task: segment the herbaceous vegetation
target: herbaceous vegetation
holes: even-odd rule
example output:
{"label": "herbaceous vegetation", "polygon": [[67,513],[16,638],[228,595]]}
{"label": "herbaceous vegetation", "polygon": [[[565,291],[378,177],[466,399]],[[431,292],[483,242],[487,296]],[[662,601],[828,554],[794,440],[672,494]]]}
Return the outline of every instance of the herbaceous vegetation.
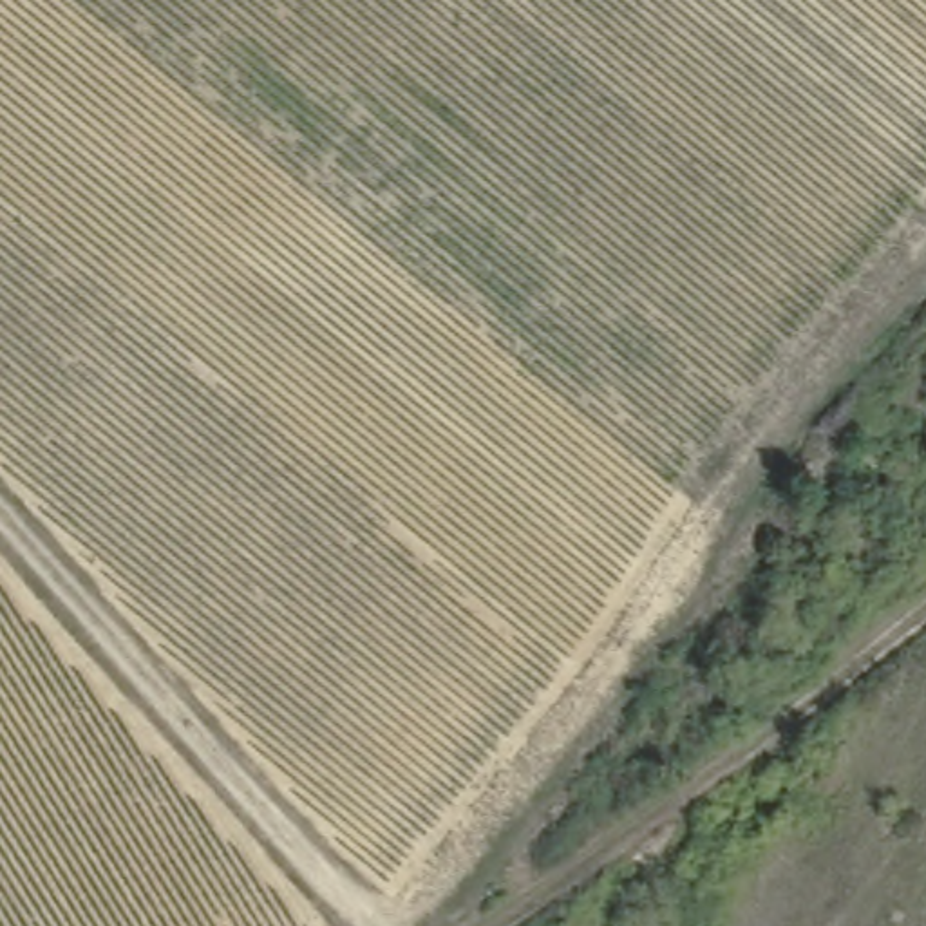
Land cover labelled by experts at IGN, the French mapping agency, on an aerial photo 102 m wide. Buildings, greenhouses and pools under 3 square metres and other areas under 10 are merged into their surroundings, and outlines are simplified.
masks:
{"label": "herbaceous vegetation", "polygon": [[760,875],[742,893],[734,926],[926,926],[926,662],[897,666],[893,680],[883,684],[893,698],[883,720],[839,738],[839,756],[846,756],[850,763],[843,789],[836,792],[836,803],[828,810],[828,828],[781,843],[767,857]]}
{"label": "herbaceous vegetation", "polygon": [[752,568],[752,539],[760,521],[734,517],[727,510],[705,550],[702,572],[687,600],[666,619],[676,629],[705,622],[738,593],[738,582]]}
{"label": "herbaceous vegetation", "polygon": [[749,774],[763,774],[774,763],[792,763],[803,734],[817,734],[828,713],[836,713],[850,698],[843,684],[854,673],[868,669],[868,662],[883,658],[919,629],[926,633],[926,557],[915,568],[883,568],[875,575],[875,582],[868,586],[868,608],[857,615],[846,640],[836,644],[832,666],[839,666],[839,673],[814,698],[814,709],[781,713],[778,727],[745,723],[742,738],[709,749],[709,756],[687,770],[684,789],[676,796],[655,792],[644,803],[615,814],[608,825],[593,828],[579,857],[564,872],[553,875],[553,868],[532,868],[528,861],[539,832],[568,807],[564,778],[553,770],[524,803],[514,803],[506,810],[506,821],[488,836],[488,846],[477,857],[477,865],[456,883],[456,890],[438,908],[416,919],[416,926],[517,926],[546,901],[568,897],[575,886],[582,886],[586,875],[604,872],[615,861],[622,861],[633,872],[640,861],[658,857],[680,836],[684,803],[695,796],[709,796],[727,774],[749,767]]}
{"label": "herbaceous vegetation", "polygon": [[608,731],[615,731],[622,709],[619,691],[564,745],[557,763],[564,770],[579,770],[582,756],[608,738]]}

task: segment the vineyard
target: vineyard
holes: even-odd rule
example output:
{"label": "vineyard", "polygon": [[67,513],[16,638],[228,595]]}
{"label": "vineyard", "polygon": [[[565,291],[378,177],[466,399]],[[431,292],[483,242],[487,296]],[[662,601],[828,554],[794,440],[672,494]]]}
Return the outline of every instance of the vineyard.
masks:
{"label": "vineyard", "polygon": [[810,416],[814,405],[828,398],[836,383],[846,380],[846,365],[875,354],[872,336],[926,297],[926,0],[0,0],[0,926],[416,926],[416,919],[438,908],[456,890],[456,883],[477,865],[477,857],[488,846],[488,836],[506,821],[506,810],[514,803],[524,803],[553,770],[557,763],[564,745],[619,691],[637,647],[655,637],[655,626],[666,619],[687,600],[702,572],[705,550],[727,510],[763,477],[760,452],[778,449],[796,423]]}

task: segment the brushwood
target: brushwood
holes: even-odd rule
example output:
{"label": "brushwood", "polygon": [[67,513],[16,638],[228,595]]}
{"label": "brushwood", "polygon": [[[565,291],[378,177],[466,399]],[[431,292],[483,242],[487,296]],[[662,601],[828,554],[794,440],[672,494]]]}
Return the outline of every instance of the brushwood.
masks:
{"label": "brushwood", "polygon": [[839,673],[839,666],[832,666],[836,644],[846,640],[857,615],[868,608],[868,586],[875,582],[875,575],[883,568],[915,568],[926,557],[926,297],[872,336],[875,354],[846,365],[846,380],[836,383],[828,398],[814,405],[810,416],[796,423],[778,449],[760,452],[763,477],[727,510],[734,517],[760,521],[752,539],[752,568],[738,582],[738,593],[705,622],[676,629],[666,619],[655,626],[655,637],[637,647],[619,691],[622,709],[615,731],[608,731],[608,738],[582,756],[579,770],[564,770],[557,763],[553,770],[564,778],[568,807],[539,832],[528,861],[532,868],[553,868],[553,875],[564,872],[579,857],[593,828],[608,825],[615,814],[644,803],[655,792],[676,796],[684,789],[687,770],[709,756],[709,749],[742,738],[745,723],[778,727],[781,713],[814,709],[814,698]]}
{"label": "brushwood", "polygon": [[633,872],[622,861],[615,861],[604,872],[586,875],[582,886],[575,886],[568,897],[546,901],[517,926],[734,926],[742,893],[760,875],[767,857],[781,843],[828,828],[828,810],[836,803],[836,792],[843,789],[850,763],[846,756],[839,756],[839,738],[883,720],[893,698],[883,684],[893,680],[897,666],[926,662],[926,633],[919,629],[883,658],[868,662],[868,669],[854,673],[843,684],[850,698],[836,713],[828,713],[817,734],[803,734],[792,763],[774,763],[763,774],[749,774],[749,767],[727,774],[709,796],[695,796],[684,803],[680,836],[658,857],[640,861]]}

